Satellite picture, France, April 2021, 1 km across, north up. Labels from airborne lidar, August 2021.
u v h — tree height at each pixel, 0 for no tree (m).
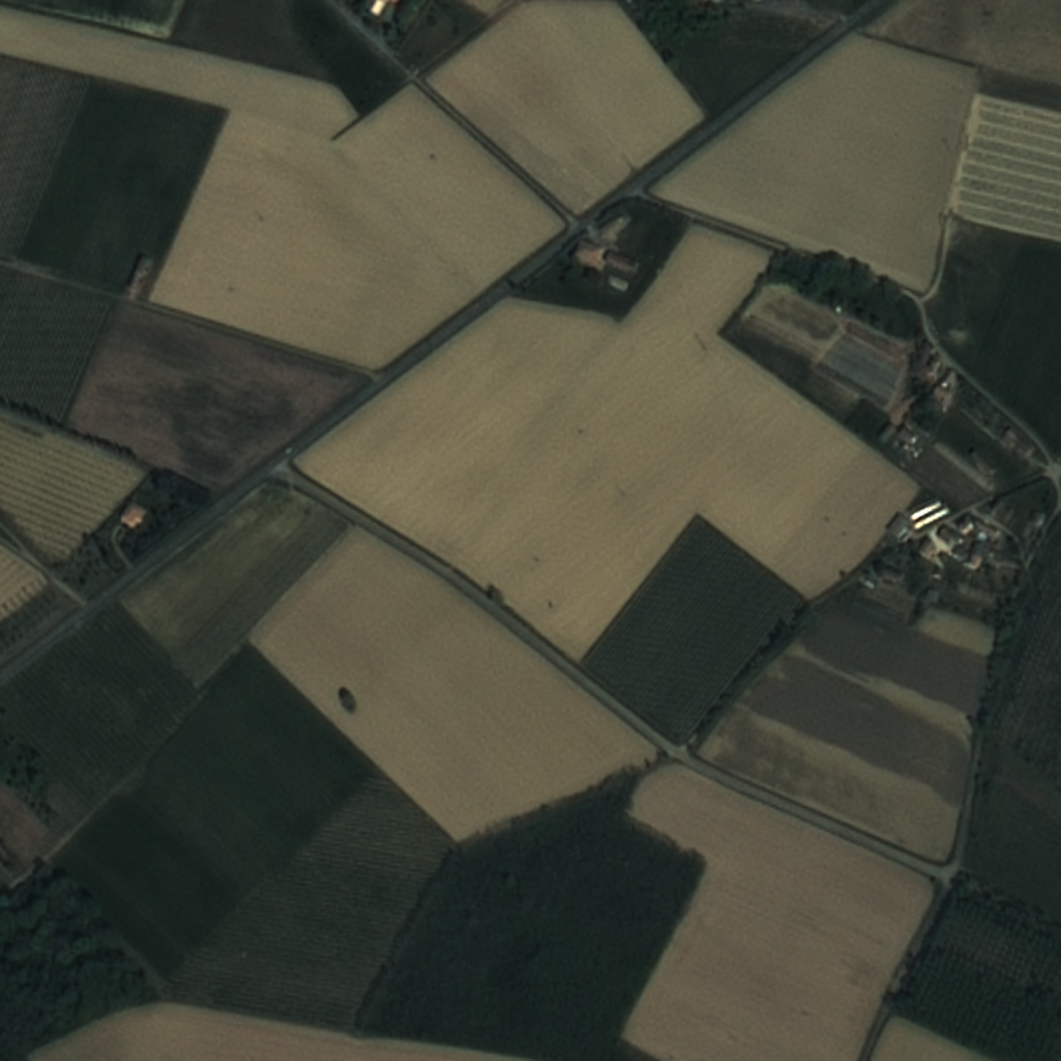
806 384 0
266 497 0
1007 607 9
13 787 9
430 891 14
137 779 0
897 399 0
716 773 0
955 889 6
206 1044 0
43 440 11
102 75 0
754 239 0
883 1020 0
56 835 0
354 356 0
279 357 0
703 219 0
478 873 17
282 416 0
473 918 17
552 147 0
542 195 0
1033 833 0
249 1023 0
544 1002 13
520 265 0
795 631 8
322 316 0
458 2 0
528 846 19
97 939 16
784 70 0
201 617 0
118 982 17
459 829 0
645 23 11
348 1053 0
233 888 0
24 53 0
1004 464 0
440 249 0
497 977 9
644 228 0
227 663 0
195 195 0
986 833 0
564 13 0
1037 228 0
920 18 0
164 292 0
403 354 0
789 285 12
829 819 0
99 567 7
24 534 10
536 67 0
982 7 0
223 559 0
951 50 0
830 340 0
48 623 18
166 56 0
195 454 0
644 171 0
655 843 18
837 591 0
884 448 0
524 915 18
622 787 15
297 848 0
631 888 16
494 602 13
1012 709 15
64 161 0
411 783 0
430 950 19
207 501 9
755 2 0
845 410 0
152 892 0
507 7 0
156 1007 0
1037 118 0
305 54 0
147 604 0
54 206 0
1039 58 0
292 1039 0
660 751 0
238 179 0
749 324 0
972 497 0
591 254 0
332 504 0
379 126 0
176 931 0
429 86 0
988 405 10
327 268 0
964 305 0
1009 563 0
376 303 0
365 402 0
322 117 0
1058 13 0
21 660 0
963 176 0
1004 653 10
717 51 0
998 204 0
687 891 16
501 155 0
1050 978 26
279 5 0
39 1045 9
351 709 7
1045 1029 26
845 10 0
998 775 0
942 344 0
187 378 0
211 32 0
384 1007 18
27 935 20
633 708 0
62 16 0
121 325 0
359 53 0
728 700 8
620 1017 17
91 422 0
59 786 0
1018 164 0
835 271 20
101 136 0
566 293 0
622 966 15
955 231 0
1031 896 0
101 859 0
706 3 7
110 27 0
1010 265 0
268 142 0
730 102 0
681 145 0
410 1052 0
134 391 0
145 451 0
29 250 0
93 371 0
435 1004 17
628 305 0
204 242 0
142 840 0
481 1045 14
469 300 0
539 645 0
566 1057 15
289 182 0
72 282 0
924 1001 21
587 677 0
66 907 16
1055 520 5
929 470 0
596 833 19
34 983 10
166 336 0
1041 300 0
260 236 0
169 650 0
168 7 0
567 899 15
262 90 0
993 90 0
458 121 0
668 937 17
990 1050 25
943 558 8
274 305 0
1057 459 0
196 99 0
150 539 10
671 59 12
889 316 0
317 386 0
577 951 17
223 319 0
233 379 0
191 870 0
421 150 0
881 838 0
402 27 14
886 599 0
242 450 0
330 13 0
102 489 9
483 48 0
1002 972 25
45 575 0
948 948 23
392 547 0
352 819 0
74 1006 17
